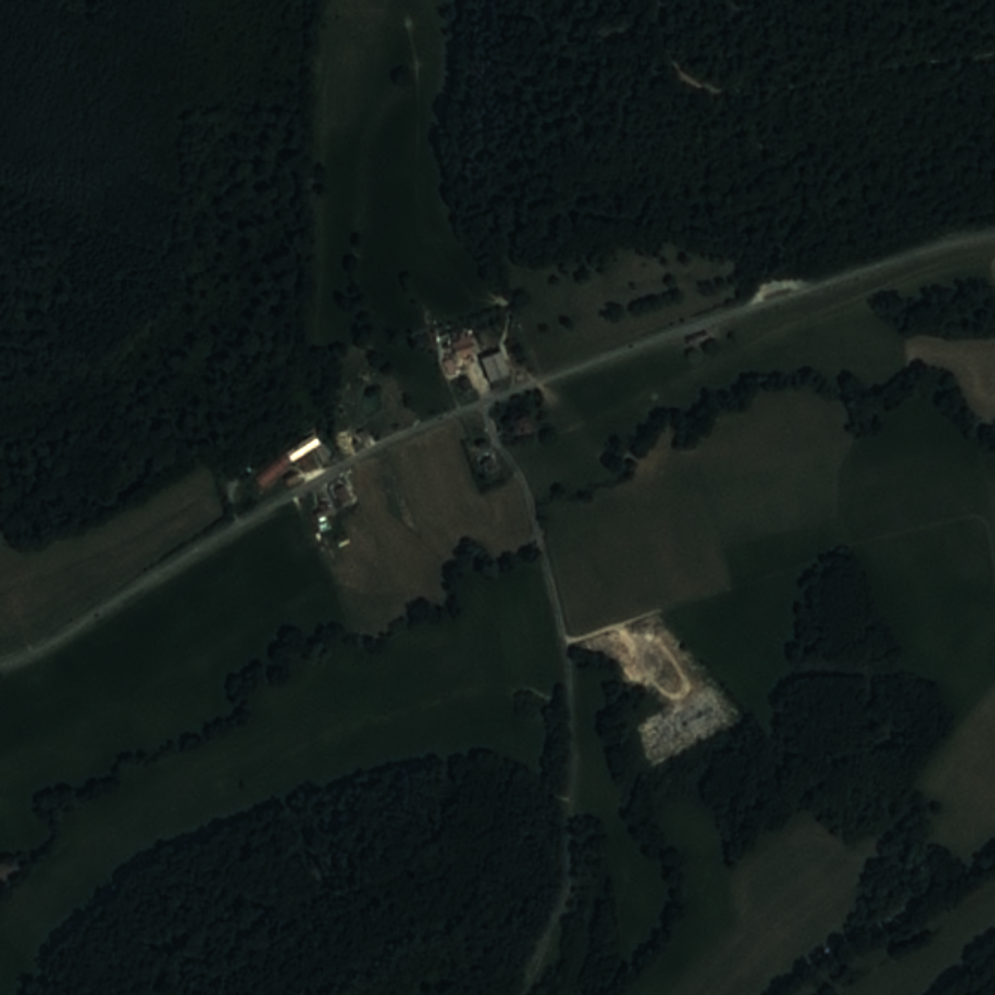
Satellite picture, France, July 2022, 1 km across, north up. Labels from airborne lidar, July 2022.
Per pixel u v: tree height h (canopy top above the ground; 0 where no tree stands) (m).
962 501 0
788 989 24
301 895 28
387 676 0
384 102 0
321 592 0
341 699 0
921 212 12
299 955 15
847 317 0
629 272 0
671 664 0
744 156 21
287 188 35
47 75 15
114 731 0
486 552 8
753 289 20
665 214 26
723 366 0
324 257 0
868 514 0
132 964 29
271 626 0
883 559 0
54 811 8
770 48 20
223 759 0
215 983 24
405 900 12
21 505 19
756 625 0
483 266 15
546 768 14
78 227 20
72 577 0
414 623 18
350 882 18
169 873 28
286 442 15
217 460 10
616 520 0
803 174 29
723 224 21
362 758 0
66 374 18
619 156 17
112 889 12
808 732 23
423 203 0
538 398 13
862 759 23
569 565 0
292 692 0
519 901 23
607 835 16
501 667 0
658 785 7
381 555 0
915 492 0
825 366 0
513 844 21
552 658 0
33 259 25
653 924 0
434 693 0
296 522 0
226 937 30
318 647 20
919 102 19
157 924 32
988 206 22
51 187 17
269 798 0
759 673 0
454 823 16
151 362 27
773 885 0
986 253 0
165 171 16
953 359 0
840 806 17
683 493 0
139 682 0
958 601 0
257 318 30
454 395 0
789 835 0
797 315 0
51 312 20
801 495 0
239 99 15
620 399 0
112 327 17
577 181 23
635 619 0
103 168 16
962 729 0
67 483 32
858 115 16
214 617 0
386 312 0
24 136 17
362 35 0
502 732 0
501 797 18
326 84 0
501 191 11
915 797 18
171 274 19
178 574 0
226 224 33
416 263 0
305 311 17
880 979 0
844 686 20
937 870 19
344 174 0
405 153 0
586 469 0
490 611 0
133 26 20
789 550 0
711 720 0
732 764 20
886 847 16
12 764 0
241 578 0
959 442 0
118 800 0
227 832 25
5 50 16
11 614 0
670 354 0
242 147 28
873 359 0
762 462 0
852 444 0
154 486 28
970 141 15
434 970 22
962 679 0
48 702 0
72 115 14
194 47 9
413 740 0
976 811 0
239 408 9
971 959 16
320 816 31
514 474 0
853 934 15
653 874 0
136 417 21
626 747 9
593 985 9
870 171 18
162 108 12
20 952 0
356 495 0
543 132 20
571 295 0
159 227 20
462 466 0
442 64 0
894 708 17
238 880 37
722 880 0
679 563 0
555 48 23
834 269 13
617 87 20
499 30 15
